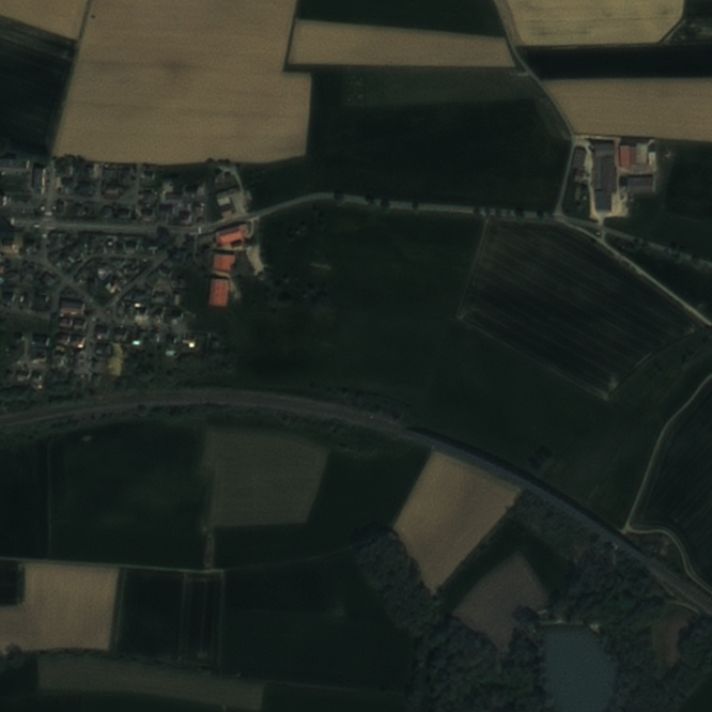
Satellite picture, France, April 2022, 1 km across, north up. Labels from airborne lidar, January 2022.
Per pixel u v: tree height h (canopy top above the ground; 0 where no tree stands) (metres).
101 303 0
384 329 0
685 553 0
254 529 0
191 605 0
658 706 21
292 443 0
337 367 0
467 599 0
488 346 0
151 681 0
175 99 0
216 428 0
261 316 0
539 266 0
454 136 0
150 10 0
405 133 0
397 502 0
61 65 0
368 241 0
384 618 0
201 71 0
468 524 0
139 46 0
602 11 0
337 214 0
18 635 0
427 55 0
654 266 0
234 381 0
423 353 0
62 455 0
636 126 0
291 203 0
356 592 0
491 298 0
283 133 0
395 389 0
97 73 0
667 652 0
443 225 0
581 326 0
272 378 0
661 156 0
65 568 0
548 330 0
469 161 0
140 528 0
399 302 0
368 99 0
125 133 0
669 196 0
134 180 8
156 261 0
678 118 0
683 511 0
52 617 0
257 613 0
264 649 0
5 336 0
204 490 0
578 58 0
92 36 0
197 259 5
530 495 17
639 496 0
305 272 0
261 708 0
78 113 0
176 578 0
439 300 0
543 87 0
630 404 0
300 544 0
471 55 0
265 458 0
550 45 0
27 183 0
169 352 0
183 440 0
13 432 0
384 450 0
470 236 0
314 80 0
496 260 0
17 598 0
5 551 0
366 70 0
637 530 0
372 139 0
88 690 0
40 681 0
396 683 0
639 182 0
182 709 0
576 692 0
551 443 0
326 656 0
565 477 0
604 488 0
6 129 0
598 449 0
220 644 0
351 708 0
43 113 0
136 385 18
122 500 0
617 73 0
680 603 0
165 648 0
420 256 0
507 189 0
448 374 0
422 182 0
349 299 0
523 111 0
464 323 0
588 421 0
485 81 0
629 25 0
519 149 0
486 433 0
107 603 0
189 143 0
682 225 0
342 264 0
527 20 0
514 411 0
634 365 0
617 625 23
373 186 0
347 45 0
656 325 0
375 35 0
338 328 0
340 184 0
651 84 0
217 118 0
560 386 0
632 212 0
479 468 0
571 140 0
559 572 0
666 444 0
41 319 0
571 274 0
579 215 0
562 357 0
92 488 0
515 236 0
